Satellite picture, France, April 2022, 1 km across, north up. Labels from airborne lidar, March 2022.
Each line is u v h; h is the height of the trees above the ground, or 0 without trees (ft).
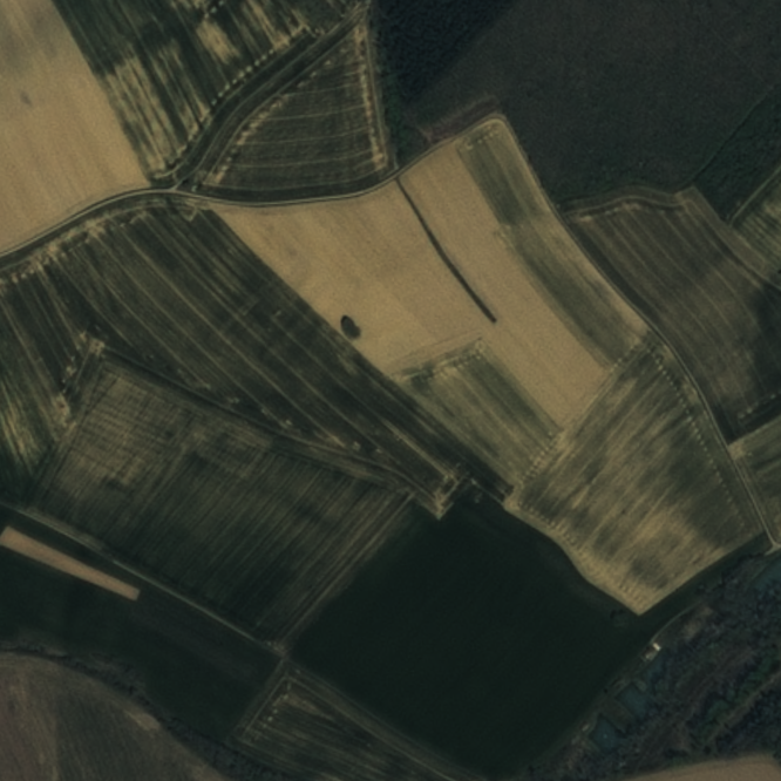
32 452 0
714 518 0
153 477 0
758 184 30
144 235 0
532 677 0
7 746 0
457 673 0
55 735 0
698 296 0
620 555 0
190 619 0
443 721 0
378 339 0
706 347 0
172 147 0
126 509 0
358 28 0
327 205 0
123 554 0
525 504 0
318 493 0
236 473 0
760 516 0
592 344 0
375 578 0
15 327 0
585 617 0
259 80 0
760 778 0
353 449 0
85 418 0
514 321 0
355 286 0
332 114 0
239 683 0
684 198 0
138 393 0
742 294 0
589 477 0
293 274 0
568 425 0
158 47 0
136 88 0
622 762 73
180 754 0
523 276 0
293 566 0
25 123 0
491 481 0
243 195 0
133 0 0
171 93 0
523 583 0
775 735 86
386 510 0
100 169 0
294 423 0
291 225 0
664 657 0
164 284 0
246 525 0
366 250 0
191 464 0
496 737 0
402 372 0
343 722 0
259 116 0
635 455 0
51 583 0
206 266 0
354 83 0
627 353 0
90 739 0
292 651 0
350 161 0
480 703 0
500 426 0
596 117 54
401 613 0
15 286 0
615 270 0
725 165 34
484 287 0
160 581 0
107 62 0
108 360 0
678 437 0
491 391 0
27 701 0
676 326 0
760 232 0
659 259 0
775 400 0
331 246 0
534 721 0
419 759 0
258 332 0
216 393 0
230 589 0
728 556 0
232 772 32
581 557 0
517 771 0
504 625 0
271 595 0
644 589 0
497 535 0
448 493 0
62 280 0
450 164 0
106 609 0
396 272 0
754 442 0
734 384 0
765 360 0
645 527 0
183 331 0
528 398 0
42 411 0
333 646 0
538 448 0
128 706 0
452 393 0
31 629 0
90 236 0
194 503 0
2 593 0
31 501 0
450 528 0
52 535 0
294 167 0
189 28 0
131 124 0
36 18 0
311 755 0
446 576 0
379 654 0
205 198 0
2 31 0
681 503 0
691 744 0
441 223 0
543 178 30
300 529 0
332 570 0
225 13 0
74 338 0
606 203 0
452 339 0
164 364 0
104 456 0
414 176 0
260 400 0
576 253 0
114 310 0
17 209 0
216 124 0
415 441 0
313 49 0
